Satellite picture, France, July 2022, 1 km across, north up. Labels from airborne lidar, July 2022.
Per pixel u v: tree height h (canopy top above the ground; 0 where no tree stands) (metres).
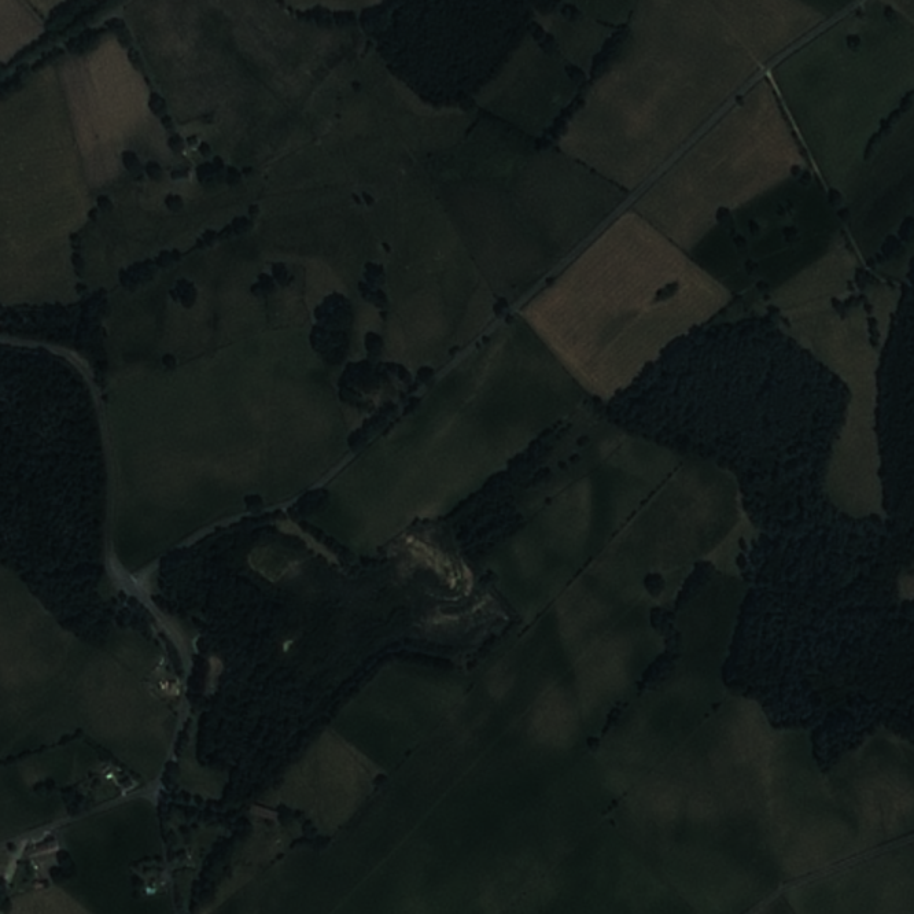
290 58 0
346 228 0
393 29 13
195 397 0
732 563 0
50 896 0
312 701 17
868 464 0
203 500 0
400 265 0
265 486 0
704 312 0
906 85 0
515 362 0
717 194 0
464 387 0
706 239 0
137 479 0
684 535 0
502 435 0
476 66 16
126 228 0
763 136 0
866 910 0
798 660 30
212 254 0
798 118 0
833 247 0
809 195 0
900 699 22
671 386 21
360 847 0
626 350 0
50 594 16
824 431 16
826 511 23
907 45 0
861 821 0
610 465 0
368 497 0
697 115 0
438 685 0
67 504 27
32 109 0
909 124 0
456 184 0
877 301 0
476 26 16
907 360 15
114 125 0
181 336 0
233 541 7
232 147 0
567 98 0
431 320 0
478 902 0
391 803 0
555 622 0
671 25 0
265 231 0
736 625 0
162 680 0
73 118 0
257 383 0
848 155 0
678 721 0
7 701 0
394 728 0
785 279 0
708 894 0
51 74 0
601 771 0
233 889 0
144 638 7
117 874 0
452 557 0
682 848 0
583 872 0
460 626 0
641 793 0
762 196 0
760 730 0
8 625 0
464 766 0
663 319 0
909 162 0
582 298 0
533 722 0
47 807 0
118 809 0
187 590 21
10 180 0
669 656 12
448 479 0
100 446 12
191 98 0
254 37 0
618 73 0
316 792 0
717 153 0
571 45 0
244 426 0
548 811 0
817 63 0
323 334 21
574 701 0
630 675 0
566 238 0
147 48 0
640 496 0
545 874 0
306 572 0
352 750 0
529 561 0
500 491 18
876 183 0
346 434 0
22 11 0
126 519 0
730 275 0
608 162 0
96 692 0
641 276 0
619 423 13
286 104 0
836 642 29
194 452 0
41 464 20
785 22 0
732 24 0
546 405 0
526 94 0
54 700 0
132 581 0
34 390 17
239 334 0
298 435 0
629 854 0
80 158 0
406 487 0
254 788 15
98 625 13
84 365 0
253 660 23
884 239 0
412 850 0
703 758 0
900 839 0
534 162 0
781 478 18
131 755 0
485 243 0
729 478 0
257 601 19
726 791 0
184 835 14
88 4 8
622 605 0
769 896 0
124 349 0
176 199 11
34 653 0
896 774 0
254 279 0
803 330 0
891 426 16
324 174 0
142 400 0
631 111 0
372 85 0
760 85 0
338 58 0
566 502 0
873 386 0
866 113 0
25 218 0
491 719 0
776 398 23
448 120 0
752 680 16
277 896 0
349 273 0
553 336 0
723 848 0
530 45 0
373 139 0
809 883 0
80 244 10
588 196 0
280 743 17
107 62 0
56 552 24
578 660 0
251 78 0
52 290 0
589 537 0
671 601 0
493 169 0
